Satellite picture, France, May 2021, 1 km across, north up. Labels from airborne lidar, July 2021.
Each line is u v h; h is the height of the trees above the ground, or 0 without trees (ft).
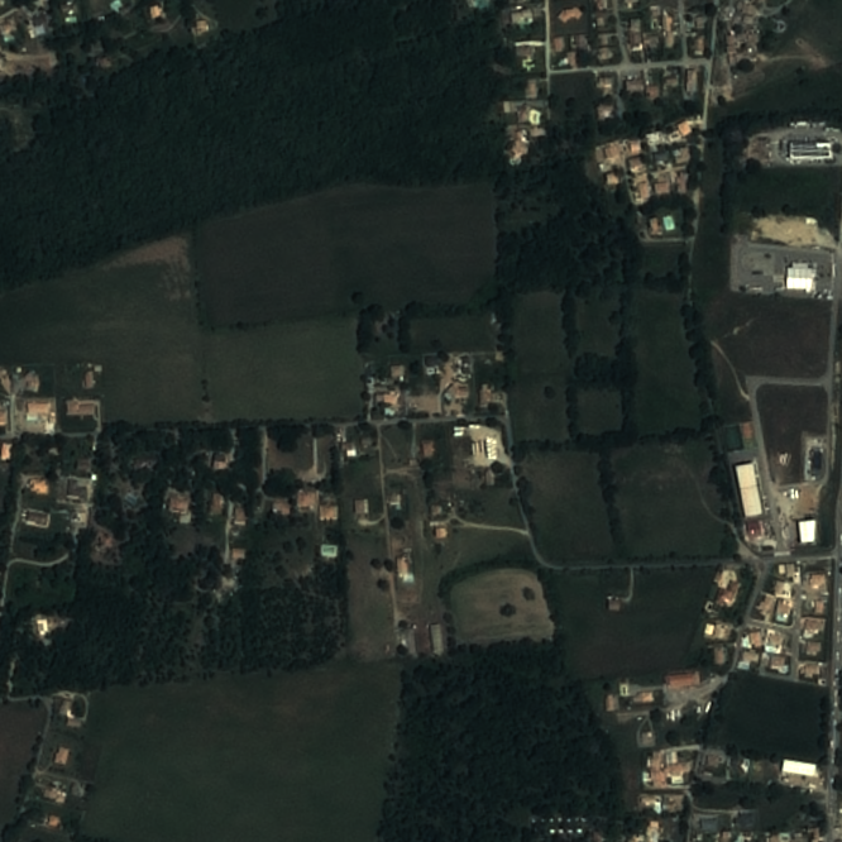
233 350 0
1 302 0
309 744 0
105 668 42
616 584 0
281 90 41
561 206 59
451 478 0
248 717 0
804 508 0
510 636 0
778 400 0
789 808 0
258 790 0
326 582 23
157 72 47
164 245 0
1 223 33
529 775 46
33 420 0
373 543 0
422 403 0
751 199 0
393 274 0
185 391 0
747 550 0
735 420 0
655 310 0
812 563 0
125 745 0
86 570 35
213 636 34
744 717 0
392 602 0
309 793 0
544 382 0
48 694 37
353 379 0
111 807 0
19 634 31
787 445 0
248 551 0
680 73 27
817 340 0
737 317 0
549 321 0
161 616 30
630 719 0
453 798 45
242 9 0
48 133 58
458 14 34
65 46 36
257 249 0
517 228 0
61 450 37
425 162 48
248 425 18
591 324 0
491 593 0
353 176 37
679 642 0
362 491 0
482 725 66
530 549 0
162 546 52
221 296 0
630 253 58
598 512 0
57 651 37
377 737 0
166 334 0
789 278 0
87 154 34
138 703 0
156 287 0
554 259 58
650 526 0
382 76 44
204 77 38
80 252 34
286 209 0
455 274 0
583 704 47
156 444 45
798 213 19
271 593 21
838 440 0
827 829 25
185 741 0
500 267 30
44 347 0
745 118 45
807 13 0
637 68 0
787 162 0
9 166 43
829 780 0
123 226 48
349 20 49
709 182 0
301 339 0
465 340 0
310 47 45
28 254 41
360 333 38
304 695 0
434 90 33
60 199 33
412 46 38
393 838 39
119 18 34
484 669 29
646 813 32
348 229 0
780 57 0
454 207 0
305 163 43
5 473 0
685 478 0
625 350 53
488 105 45
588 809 40
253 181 32
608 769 41
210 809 0
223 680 0
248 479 49
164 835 0
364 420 23
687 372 0
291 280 0
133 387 0
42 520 0
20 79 34
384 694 0
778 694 0
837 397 0
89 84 31
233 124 38
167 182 29
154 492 44
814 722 0
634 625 0
